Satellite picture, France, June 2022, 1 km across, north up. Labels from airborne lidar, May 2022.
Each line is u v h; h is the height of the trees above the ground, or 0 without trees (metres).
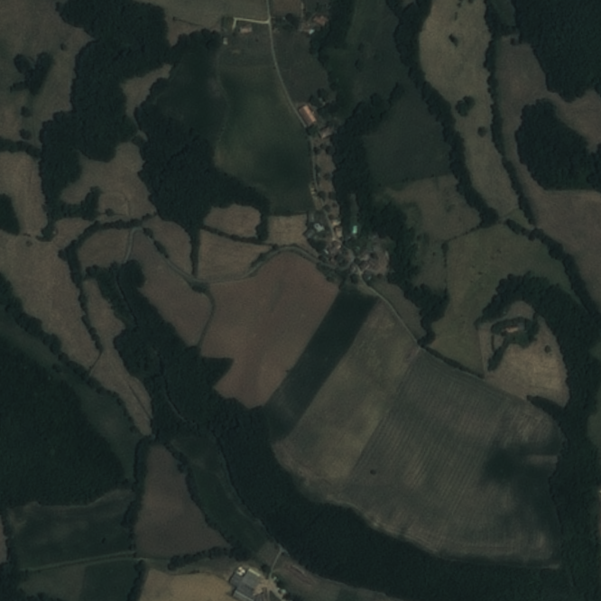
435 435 0
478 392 0
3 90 0
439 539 0
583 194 0
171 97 0
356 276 11
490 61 17
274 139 0
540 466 0
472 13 0
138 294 14
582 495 13
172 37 0
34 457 19
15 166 0
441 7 0
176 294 0
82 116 21
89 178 0
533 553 0
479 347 0
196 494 25
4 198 13
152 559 0
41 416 10
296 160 0
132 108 0
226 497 0
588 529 16
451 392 0
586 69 17
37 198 0
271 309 0
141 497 12
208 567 0
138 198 0
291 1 0
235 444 22
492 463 0
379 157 0
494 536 0
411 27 18
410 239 6
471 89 0
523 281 18
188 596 0
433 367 0
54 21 0
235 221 0
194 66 0
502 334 7
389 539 10
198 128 0
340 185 19
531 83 0
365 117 22
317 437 0
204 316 0
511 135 0
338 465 0
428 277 0
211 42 14
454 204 0
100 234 0
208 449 0
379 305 0
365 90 0
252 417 22
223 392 0
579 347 20
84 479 15
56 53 0
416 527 0
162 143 25
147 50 22
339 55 0
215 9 0
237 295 0
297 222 0
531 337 10
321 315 0
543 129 20
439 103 25
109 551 0
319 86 0
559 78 19
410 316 0
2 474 18
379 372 0
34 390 14
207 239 0
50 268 0
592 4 17
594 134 0
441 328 0
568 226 0
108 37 7
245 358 0
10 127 0
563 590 13
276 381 0
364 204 16
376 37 0
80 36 0
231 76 0
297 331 0
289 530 16
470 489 0
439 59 0
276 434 0
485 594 12
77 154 12
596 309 17
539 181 19
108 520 0
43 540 0
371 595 0
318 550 20
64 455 18
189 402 17
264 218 12
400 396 0
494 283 0
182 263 0
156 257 0
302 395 0
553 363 0
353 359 0
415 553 7
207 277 0
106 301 0
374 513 0
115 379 0
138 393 0
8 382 13
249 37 0
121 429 0
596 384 19
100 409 0
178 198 20
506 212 0
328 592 0
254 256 0
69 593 0
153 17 20
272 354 0
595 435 0
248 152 0
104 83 18
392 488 0
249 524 0
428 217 0
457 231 0
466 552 0
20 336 0
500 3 0
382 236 13
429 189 0
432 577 8
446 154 0
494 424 0
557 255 16
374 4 0
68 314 0
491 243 0
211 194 16
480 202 25
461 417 0
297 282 0
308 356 0
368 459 0
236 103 0
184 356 16
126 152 0
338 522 18
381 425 0
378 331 0
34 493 17
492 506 0
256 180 0
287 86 0
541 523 0
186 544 0
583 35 16
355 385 0
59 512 0
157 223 0
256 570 0
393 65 0
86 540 0
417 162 0
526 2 23
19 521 0
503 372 0
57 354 19
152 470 0
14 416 8
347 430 0
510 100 0
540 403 13
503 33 14
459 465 0
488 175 0
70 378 0
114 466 14
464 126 0
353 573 13
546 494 0
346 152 24
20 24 0
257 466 15
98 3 15
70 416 13
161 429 11
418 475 0
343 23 15
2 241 0
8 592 31
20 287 0
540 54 19
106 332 0
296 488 12
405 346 0
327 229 6
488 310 14
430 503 0
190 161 23
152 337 19
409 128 0
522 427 0
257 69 0
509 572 9
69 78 0
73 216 11
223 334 0
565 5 19
